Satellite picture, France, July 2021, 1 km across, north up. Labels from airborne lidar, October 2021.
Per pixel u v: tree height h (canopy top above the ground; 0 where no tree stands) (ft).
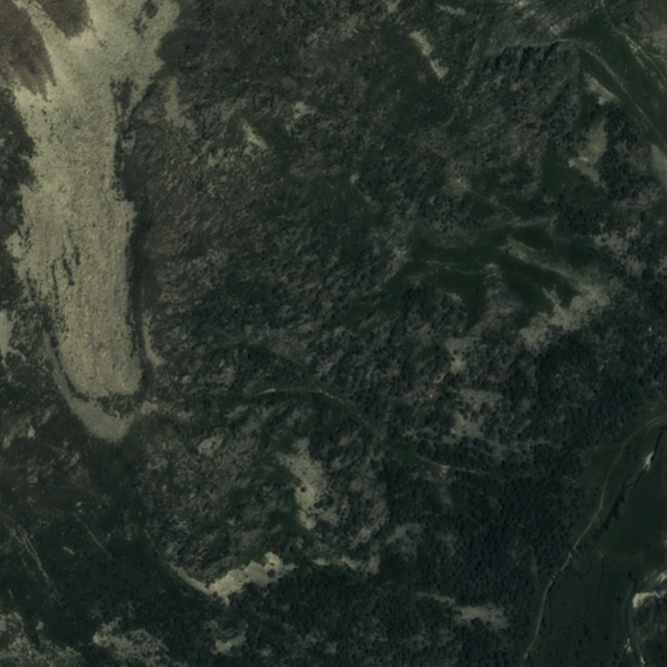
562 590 0
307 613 48
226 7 0
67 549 0
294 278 22
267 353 30
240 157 0
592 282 0
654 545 0
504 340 28
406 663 32
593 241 0
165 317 0
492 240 0
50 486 0
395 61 0
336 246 21
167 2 0
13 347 0
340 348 43
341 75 0
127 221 0
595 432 59
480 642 98
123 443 0
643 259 44
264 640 67
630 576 41
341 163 28
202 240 0
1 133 0
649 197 24
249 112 0
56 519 0
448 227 30
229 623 25
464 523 66
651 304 36
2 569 0
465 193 0
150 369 0
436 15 0
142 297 0
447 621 29
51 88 0
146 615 26
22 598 0
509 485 60
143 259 0
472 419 23
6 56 0
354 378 23
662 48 0
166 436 0
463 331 28
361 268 29
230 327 22
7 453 0
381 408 58
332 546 35
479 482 54
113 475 0
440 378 22
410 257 0
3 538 0
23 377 0
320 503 34
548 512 83
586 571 0
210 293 0
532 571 46
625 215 0
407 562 30
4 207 0
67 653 0
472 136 21
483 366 52
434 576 56
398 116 0
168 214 0
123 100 0
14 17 0
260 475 0
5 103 0
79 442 0
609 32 0
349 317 0
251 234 0
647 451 0
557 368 48
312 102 0
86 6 0
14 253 0
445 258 0
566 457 71
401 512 66
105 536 18
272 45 0
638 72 0
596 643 0
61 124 0
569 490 33
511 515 73
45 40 0
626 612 0
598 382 35
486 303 0
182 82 0
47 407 0
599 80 0
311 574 19
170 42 0
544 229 0
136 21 0
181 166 0
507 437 34
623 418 58
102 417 0
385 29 0
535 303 0
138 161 0
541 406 27
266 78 0
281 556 49
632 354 24
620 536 0
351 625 44
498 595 65
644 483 0
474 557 72
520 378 68
